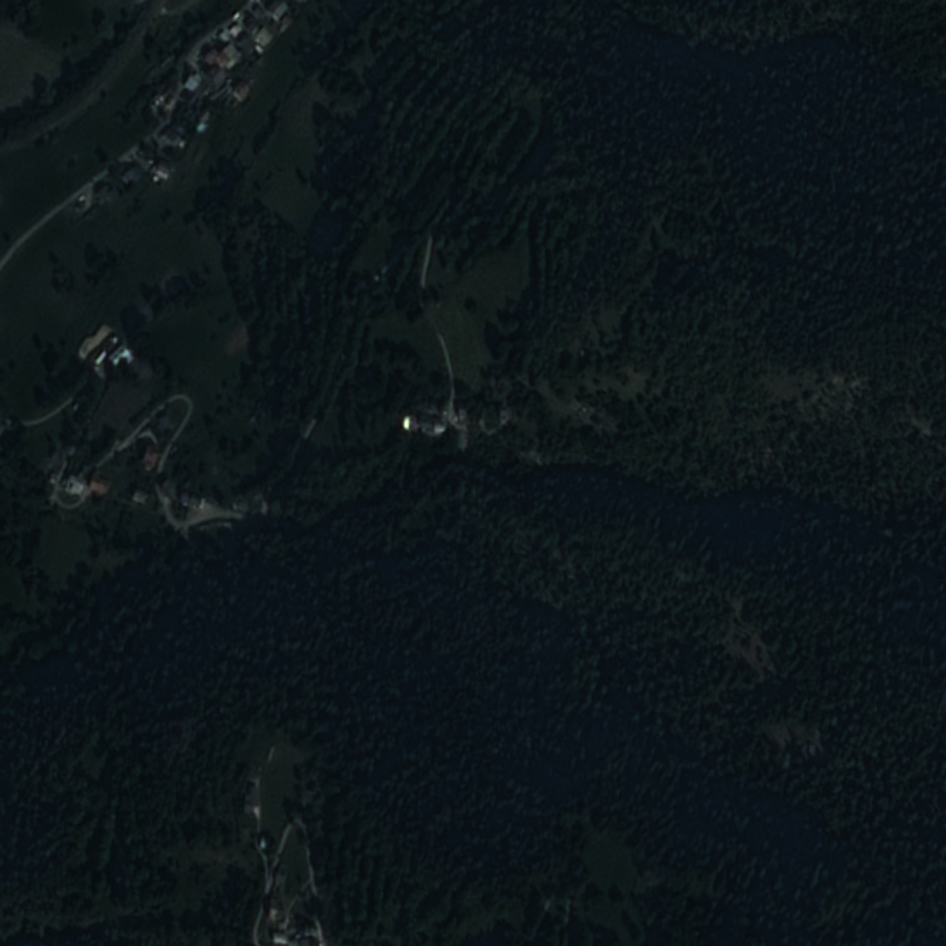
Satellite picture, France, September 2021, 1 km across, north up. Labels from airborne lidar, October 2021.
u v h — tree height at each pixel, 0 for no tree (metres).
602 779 20
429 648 20
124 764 18
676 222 14
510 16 18
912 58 26
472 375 0
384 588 32
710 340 16
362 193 26
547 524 24
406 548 25
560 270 17
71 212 0
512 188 20
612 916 0
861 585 21
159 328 0
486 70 19
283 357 18
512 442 10
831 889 24
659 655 30
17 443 12
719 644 17
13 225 0
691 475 10
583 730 21
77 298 0
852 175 21
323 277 19
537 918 15
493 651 26
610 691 25
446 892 17
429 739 33
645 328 10
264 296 19
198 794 21
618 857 0
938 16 20
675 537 20
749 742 15
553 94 10
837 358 11
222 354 0
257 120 0
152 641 11
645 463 17
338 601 23
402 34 16
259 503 0
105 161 16
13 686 22
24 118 14
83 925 23
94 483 0
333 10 0
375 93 19
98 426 0
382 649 22
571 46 12
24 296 0
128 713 19
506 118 15
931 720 19
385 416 12
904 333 20
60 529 0
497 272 0
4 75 0
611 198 21
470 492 23
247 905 6
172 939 19
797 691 19
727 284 23
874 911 30
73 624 22
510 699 23
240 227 7
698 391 10
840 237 21
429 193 20
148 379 0
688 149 22
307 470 19
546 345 14
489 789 21
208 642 23
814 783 28
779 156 27
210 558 20
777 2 10
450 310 0
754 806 23
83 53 0
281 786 0
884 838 29
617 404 15
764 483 21
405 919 12
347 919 15
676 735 15
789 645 24
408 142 19
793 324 16
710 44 13
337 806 18
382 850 20
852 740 26
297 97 0
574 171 20
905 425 8
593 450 19
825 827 18
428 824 34
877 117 25
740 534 25
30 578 12
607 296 16
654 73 19
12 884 22
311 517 23
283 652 27
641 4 12
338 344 17
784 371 13
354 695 32
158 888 16
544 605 7
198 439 0
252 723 13
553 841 26
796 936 10
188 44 10
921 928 14
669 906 17
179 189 0
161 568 20
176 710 30
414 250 13
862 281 22
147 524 0
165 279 0
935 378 13
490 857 24
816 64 27
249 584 27
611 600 25
